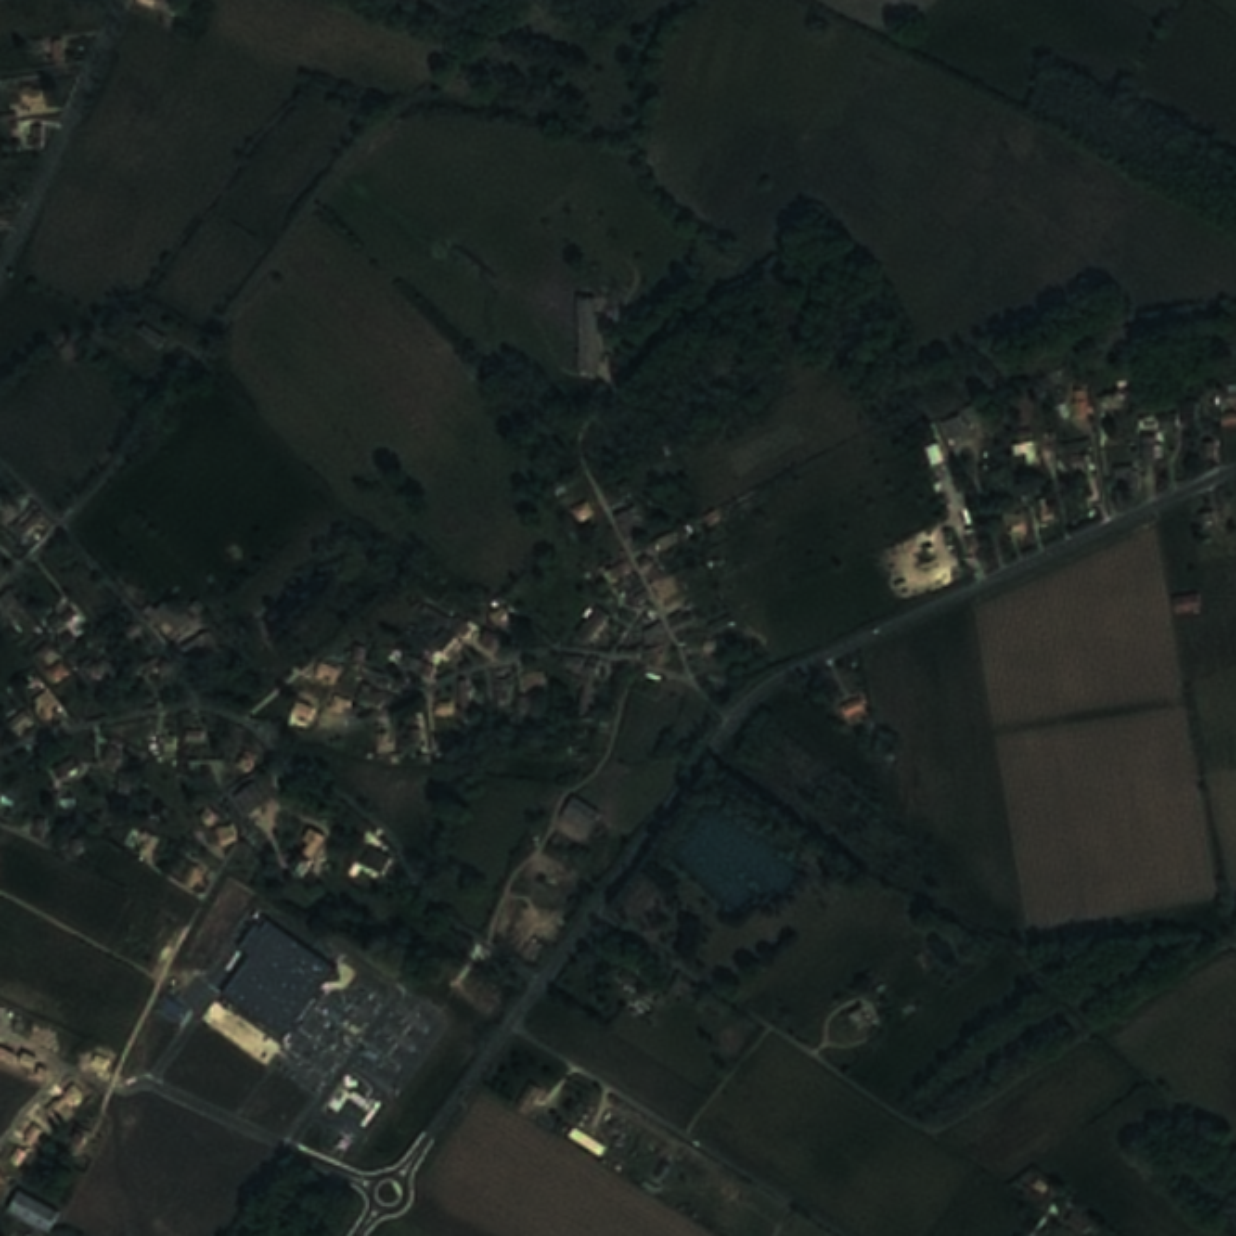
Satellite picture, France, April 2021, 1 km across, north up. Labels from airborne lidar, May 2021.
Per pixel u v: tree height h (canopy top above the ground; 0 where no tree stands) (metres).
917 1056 0
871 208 0
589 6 17
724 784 16
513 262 0
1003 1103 0
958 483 15
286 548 0
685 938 11
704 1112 0
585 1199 0
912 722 0
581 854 10
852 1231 0
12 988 0
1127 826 0
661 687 6
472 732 13
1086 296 19
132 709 12
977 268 0
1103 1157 0
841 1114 0
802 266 19
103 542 0
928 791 0
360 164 0
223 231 0
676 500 10
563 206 0
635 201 0
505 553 0
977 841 0
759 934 0
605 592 8
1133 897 0
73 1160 12
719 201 0
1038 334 27
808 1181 0
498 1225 0
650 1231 0
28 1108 0
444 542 0
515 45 16
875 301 16
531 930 0
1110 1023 19
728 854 0
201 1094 0
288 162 0
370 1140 0
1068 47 0
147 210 0
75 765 0
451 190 0
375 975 0
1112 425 10
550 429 12
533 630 12
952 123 0
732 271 0
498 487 0
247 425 0
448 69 17
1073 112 17
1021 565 0
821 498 0
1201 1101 0
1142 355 18
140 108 0
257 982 0
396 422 0
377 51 0
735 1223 0
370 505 0
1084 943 22
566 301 0
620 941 18
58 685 7
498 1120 0
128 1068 0
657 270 0
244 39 0
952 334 0
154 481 0
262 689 16
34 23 0
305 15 0
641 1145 0
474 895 17
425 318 0
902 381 13
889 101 0
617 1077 0
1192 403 11
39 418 0
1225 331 16
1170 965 23
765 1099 0
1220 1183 13
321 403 0
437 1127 0
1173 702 0
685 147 0
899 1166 0
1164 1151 23
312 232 0
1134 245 0
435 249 0
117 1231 0
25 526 0
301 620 20
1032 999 23
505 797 0
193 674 14
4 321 0
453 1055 0
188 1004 0
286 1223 21
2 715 9
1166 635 0
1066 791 0
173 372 17
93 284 0
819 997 0
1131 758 0
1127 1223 0
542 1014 0
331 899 10
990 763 0
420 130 0
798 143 0
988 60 0
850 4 0
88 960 0
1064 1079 0
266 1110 0
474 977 22
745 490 0
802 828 19
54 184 0
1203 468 7
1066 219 0
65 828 10
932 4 0
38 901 0
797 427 0
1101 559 0
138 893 0
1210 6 0
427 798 0
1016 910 0
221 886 0
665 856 18
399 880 7
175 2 15
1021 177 0
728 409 10
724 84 0
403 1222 0
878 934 0
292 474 0
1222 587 0
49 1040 0
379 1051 0
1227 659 0
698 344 21
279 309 0
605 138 13
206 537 0
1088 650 0
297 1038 0
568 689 7
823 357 19
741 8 0
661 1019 0
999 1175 0
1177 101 0
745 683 15
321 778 17
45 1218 0
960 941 12
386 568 20
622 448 17
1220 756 0
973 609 0
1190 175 21
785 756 9
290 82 0
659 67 16
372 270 0
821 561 0
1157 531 0
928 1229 0
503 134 0
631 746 0
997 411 21
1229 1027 0
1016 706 0
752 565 0
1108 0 0
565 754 14
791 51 0
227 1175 0
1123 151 18
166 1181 0
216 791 8
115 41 13
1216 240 0
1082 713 0
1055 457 0
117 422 0
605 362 0
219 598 11
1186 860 0
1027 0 0
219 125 0
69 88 11
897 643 0
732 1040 0
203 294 0
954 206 0
